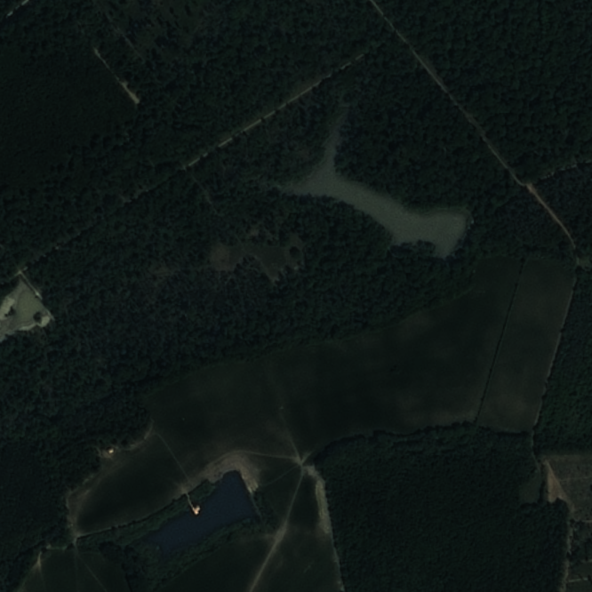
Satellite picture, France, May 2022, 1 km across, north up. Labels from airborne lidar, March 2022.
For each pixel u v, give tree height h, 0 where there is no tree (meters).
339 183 0
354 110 22
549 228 15
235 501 0
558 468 0
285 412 0
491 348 0
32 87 16
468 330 0
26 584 0
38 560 0
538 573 12
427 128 24
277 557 0
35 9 19
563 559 16
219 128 17
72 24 22
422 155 23
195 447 0
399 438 12
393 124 26
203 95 21
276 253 0
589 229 14
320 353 0
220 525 0
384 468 12
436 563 18
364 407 0
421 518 13
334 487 10
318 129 20
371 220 9
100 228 19
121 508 0
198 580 0
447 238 0
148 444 0
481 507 16
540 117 25
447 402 0
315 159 10
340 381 0
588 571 0
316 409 0
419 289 22
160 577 6
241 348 22
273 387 0
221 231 15
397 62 26
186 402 0
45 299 16
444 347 0
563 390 9
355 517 13
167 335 23
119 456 0
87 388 22
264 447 0
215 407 0
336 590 0
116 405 24
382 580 14
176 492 0
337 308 23
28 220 23
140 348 24
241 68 25
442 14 20
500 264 0
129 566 18
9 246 22
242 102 22
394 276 23
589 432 7
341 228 21
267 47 17
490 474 14
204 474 0
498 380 0
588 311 12
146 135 25
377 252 17
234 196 25
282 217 21
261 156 10
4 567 12
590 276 9
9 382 20
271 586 0
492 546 16
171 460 0
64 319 20
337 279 20
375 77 24
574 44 17
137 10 0
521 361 0
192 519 0
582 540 0
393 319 15
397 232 0
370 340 0
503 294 0
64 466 25
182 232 10
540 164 24
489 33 19
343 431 0
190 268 19
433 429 13
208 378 0
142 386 24
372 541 11
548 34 24
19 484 7
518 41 21
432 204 18
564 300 0
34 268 20
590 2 21
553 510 11
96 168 24
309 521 0
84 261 12
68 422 25
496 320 0
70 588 0
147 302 11
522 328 0
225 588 0
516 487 12
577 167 24
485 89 26
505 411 0
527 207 21
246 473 0
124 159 25
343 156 22
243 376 0
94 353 23
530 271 0
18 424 22
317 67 20
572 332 9
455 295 11
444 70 18
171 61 0
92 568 0
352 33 23
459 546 16
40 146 12
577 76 24
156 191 22
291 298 23
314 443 0
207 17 22
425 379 0
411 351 0
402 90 22
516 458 16
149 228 24
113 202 24
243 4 22
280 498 0
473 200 22
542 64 18
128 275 22
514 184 17
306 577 0
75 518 0
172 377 19
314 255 20
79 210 24
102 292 20
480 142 21
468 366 0
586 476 0
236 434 0
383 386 0
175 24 0
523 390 0
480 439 19
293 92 15
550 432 11
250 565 0
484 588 17
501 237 22
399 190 23
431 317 0
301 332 20
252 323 25
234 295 8
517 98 17
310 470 0
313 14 21
